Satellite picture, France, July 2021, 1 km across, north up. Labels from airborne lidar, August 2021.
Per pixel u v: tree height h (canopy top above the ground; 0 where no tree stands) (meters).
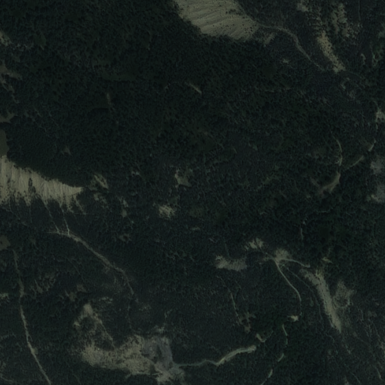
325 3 13
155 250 26
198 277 26
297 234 31
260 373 11
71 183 10
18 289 17
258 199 22
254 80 33
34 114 22
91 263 18
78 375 14
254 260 14
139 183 27
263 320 25
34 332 16
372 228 16
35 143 30
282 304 14
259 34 9
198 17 0
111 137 25
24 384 7
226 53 28
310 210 16
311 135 25
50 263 17
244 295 10
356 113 10
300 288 8
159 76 8
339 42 8
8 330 13
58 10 17
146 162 30
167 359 0
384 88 8
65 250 16
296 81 25
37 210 10
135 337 8
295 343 15
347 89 9
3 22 26
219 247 10
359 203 15
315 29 9
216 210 17
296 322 10
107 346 9
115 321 10
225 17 0
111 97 0
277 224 29
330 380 16
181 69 29
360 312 10
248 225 10
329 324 7
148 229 18
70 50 12
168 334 7
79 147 29
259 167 14
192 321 10
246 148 13
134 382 11
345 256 15
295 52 9
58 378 13
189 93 31
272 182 8
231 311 13
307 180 21
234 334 17
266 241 8
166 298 8
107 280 7
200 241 13
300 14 12
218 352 11
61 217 13
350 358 11
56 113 23
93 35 24
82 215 7
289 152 20
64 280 16
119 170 18
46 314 26
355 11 10
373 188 17
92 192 9
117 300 7
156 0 27
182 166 8
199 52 21
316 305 11
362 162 8
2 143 0
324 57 9
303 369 16
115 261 11
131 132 29
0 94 27
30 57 27
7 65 20
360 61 14
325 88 21
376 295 12
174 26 28
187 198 15
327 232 0
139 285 7
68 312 25
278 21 8
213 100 27
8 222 9
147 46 0
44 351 7
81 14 0
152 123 30
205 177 7
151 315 7
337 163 7
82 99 33
